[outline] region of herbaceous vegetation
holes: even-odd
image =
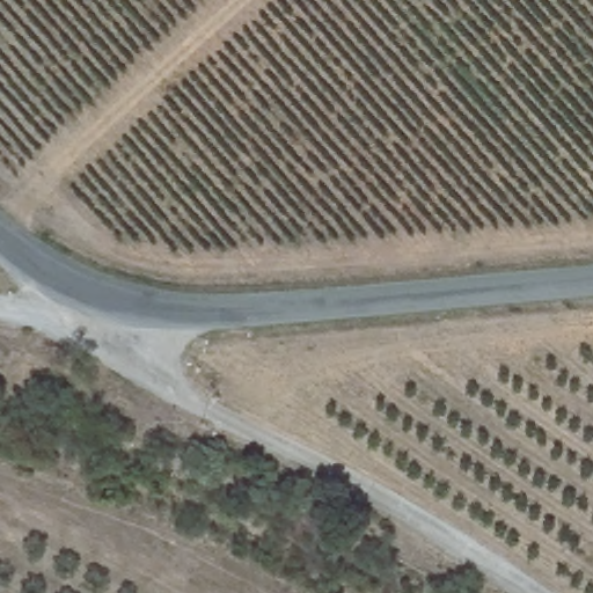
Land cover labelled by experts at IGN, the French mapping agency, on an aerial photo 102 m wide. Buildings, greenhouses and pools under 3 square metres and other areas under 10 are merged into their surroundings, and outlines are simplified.
[[[208,343],[252,343],[255,338],[352,331],[371,327],[417,327],[463,317],[507,317],[570,310],[593,310],[593,297],[463,306],[447,310],[313,320],[264,327],[220,324],[220,329],[213,329],[213,324],[195,324],[199,334]]]
[[[25,285],[30,278],[0,255],[0,294],[19,292],[19,287]]]
[[[167,403],[153,391],[132,382],[130,378],[120,375],[118,371],[102,366],[97,368],[97,387],[104,401],[120,408],[134,422],[134,433],[130,440],[123,442],[123,449],[139,449],[146,440],[146,433],[155,426],[164,426],[181,438],[188,438],[192,433],[218,433],[206,417],[199,415],[181,410],[174,403]]]
[[[0,375],[5,375],[5,380],[14,385],[23,385],[32,371],[44,368],[49,359],[56,357],[53,350],[44,345],[44,341],[49,338],[46,334],[32,327],[19,327],[0,320]]]
[[[76,329],[69,338],[83,352],[93,354],[95,341],[86,338],[86,329]]]
[[[37,239],[46,243],[51,250],[65,255],[67,262],[76,262],[81,266],[114,276],[118,280],[183,294],[297,292],[375,283],[461,278],[503,271],[593,266],[593,248],[574,248],[565,257],[554,257],[549,252],[547,257],[528,257],[526,262],[493,264],[477,259],[470,266],[456,269],[422,266],[396,273],[368,273],[345,278],[197,285],[151,278],[144,271],[127,271],[118,264],[100,264],[97,259],[86,257],[60,243],[51,229],[39,229]]]
[[[86,584],[86,570],[90,563],[88,558],[79,556],[79,565],[72,574],[58,574],[53,565],[42,574],[37,561],[28,556],[23,540],[9,542],[0,537],[0,593],[107,593],[104,588],[93,591]]]

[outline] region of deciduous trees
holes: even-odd
[[[375,429],[368,429],[366,422],[338,408],[336,401],[329,401],[329,417],[338,419],[338,424],[345,429],[352,429],[354,438],[366,438],[368,447],[378,447],[380,433]]]
[[[584,493],[577,493],[574,486],[565,486],[563,505],[574,505],[584,510],[588,498]]]
[[[572,461],[574,461],[574,456],[577,456],[577,452],[574,452],[574,449],[570,449],[570,447],[565,447],[563,442],[561,442],[561,440],[556,440],[556,442],[554,442],[554,449],[551,449],[551,459],[558,459],[558,456],[561,456],[561,459],[568,459],[570,463],[572,463]]]
[[[30,530],[23,540],[28,556],[37,561],[46,549],[46,533]]]
[[[394,442],[389,440],[382,447],[382,454],[396,463],[398,470],[408,473],[408,477],[422,479],[426,489],[435,493],[435,498],[445,498],[449,484],[438,479],[433,473],[424,470],[415,459],[408,456],[408,452],[394,447]]]
[[[53,565],[58,574],[72,574],[79,565],[79,556],[79,551],[74,549],[60,549],[56,554]]]
[[[403,419],[403,431],[415,431],[419,440],[426,438],[426,424],[398,410],[394,403],[385,398],[385,394],[378,394],[375,405],[380,412],[387,415],[389,422],[398,417]]]
[[[473,519],[482,521],[486,528],[493,528],[496,535],[507,544],[519,542],[517,528],[500,521],[491,510],[484,510],[479,503],[466,500],[463,493],[456,493],[452,505],[456,510],[468,510]]]
[[[586,554],[581,549],[579,535],[568,524],[561,528],[558,535],[558,540],[565,542],[581,561],[593,565],[593,554]]]
[[[510,482],[503,482],[493,470],[486,470],[484,463],[473,461],[470,454],[463,454],[463,470],[473,470],[477,482],[489,479],[489,486],[493,491],[500,491],[503,500],[514,503],[517,510],[528,514],[530,519],[537,519],[537,503],[528,500],[526,493],[514,491]]]
[[[155,426],[146,433],[146,440],[139,449],[123,449],[123,442],[130,440],[134,433],[134,422],[120,408],[104,401],[97,387],[97,368],[102,366],[100,359],[93,354],[83,352],[69,338],[49,338],[44,341],[44,345],[53,350],[56,357],[49,359],[44,368],[32,371],[23,385],[14,385],[5,380],[5,375],[0,375],[0,456],[7,459],[12,468],[21,475],[46,470],[63,479],[69,477],[72,463],[79,461],[81,473],[86,477],[86,493],[90,500],[111,500],[116,505],[127,505],[130,517],[134,517],[134,512],[141,510],[155,512],[162,521],[174,521],[176,530],[188,537],[211,533],[215,542],[232,547],[234,556],[252,558],[266,572],[294,579],[299,586],[313,593],[507,593],[496,586],[491,577],[484,577],[484,572],[475,563],[468,561],[459,565],[435,540],[431,540],[419,528],[405,521],[394,524],[389,514],[398,507],[398,500],[380,491],[366,496],[357,484],[352,484],[343,466],[331,463],[317,468],[287,468],[278,461],[278,456],[269,454],[257,442],[248,442],[246,447],[241,447],[229,435],[218,433],[192,433],[188,438],[181,438],[164,426]]]
[[[109,568],[90,563],[86,570],[86,584],[93,591],[104,588],[109,584]]]
[[[482,403],[489,408],[496,408],[496,412],[507,422],[507,426],[524,429],[528,438],[535,438],[540,445],[547,442],[547,431],[537,426],[530,417],[524,417],[517,410],[512,410],[503,398],[493,396],[477,380],[468,380],[468,394],[479,396]]]
[[[438,398],[433,412],[447,417],[452,426],[461,426],[461,435],[468,438],[470,419],[463,417],[459,410],[447,408],[445,398]]]
[[[500,438],[496,438],[491,456],[503,459],[507,466],[517,468],[519,475],[533,475],[535,486],[558,486],[556,475],[544,473],[544,468],[530,466],[530,461],[524,454],[519,454],[512,447],[505,447]]]

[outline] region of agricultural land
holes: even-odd
[[[561,327],[565,329],[565,334],[572,334],[572,338],[579,345],[593,345],[593,310],[570,310]]]

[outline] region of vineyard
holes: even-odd
[[[537,227],[549,222],[565,225],[579,218],[593,220],[593,0],[262,0],[264,5],[257,21],[234,32],[218,53],[204,58],[181,81],[167,83],[164,100],[153,111],[148,111],[148,116],[139,118],[102,158],[93,160],[90,164],[86,164],[81,174],[72,176],[72,195],[88,206],[88,211],[114,234],[118,243],[164,243],[171,252],[195,252],[199,248],[232,250],[248,246],[252,241],[273,241],[276,246],[299,248],[313,246],[315,241],[354,241],[373,234],[382,239],[389,234],[398,234],[403,229],[408,234],[426,234],[433,229],[470,232],[477,227]]]
[[[111,88],[111,83],[118,79],[118,74],[123,74],[134,63],[134,56],[139,51],[153,49],[153,44],[167,37],[176,21],[188,19],[188,14],[195,12],[199,0],[0,0],[0,162],[14,176],[19,176],[25,162],[42,151],[42,146],[46,146],[46,141],[58,132],[58,127],[72,120],[76,114],[81,114],[83,107],[97,104]]]

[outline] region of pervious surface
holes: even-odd
[[[25,285],[19,287],[19,292],[0,294],[0,320],[19,327],[32,327],[46,334],[49,338],[69,338],[76,329],[86,329],[86,338],[95,341],[93,354],[100,359],[102,366],[118,371],[120,375],[130,378],[132,382],[153,391],[167,403],[174,403],[181,410],[199,415],[204,398],[181,368],[181,352],[199,334],[195,324],[213,324],[213,329],[220,329],[220,324],[264,327],[313,320],[447,310],[463,306],[593,297],[593,266],[503,271],[461,278],[375,283],[297,292],[183,294],[118,280],[114,276],[81,266],[76,262],[67,262],[65,255],[51,250],[46,243],[37,239],[39,229],[25,229],[16,215],[12,215],[0,204],[0,255],[30,278]]]

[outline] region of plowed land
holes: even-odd
[[[74,549],[79,551],[79,556],[88,558],[90,563],[109,568],[109,584],[104,588],[107,593],[313,593],[299,586],[294,579],[266,572],[252,558],[234,556],[232,547],[215,542],[211,533],[188,537],[176,530],[174,521],[162,521],[155,512],[141,510],[134,512],[134,517],[130,517],[127,505],[116,505],[111,500],[90,500],[86,493],[86,477],[81,473],[79,461],[72,463],[69,477],[63,479],[46,470],[21,475],[12,468],[7,459],[0,456],[0,537],[9,542],[23,540],[30,530],[46,533],[46,549],[37,561],[42,574],[53,565],[56,554],[60,549]]]
[[[181,81],[204,58],[218,53],[234,32],[257,21],[264,5],[262,0],[199,0],[195,12],[188,14],[188,19],[176,21],[167,37],[153,44],[153,49],[139,51],[134,56],[134,63],[123,74],[118,74],[118,79],[111,83],[111,88],[97,104],[83,107],[81,114],[76,114],[72,120],[58,127],[58,132],[46,141],[46,146],[42,146],[42,151],[25,162],[19,176],[14,176],[0,162],[0,204],[12,215],[16,215],[25,229],[39,229],[51,229],[60,243],[86,257],[97,259],[100,264],[118,264],[127,271],[144,271],[151,278],[197,285],[345,278],[368,273],[396,273],[422,266],[456,269],[470,266],[477,259],[493,264],[526,262],[528,257],[547,257],[549,252],[554,257],[565,257],[574,248],[593,248],[593,220],[579,218],[565,225],[549,222],[537,227],[477,227],[470,232],[433,229],[426,234],[408,234],[403,229],[398,234],[389,234],[382,239],[373,234],[354,241],[315,241],[313,246],[299,248],[276,246],[273,241],[252,241],[248,246],[232,250],[199,248],[195,252],[171,252],[164,243],[118,243],[114,234],[88,211],[88,206],[72,195],[72,176],[81,174],[86,164],[90,164],[93,160],[102,158],[139,118],[148,116],[148,111],[153,111],[164,100],[167,83]]]
[[[572,338],[572,334],[565,334],[565,329],[561,327],[570,310],[507,317],[463,317],[417,327],[371,327],[352,331],[255,338],[252,343],[208,343],[199,334],[181,352],[181,368],[204,398],[199,415],[206,417],[218,433],[229,435],[241,447],[246,447],[248,442],[257,442],[269,454],[278,456],[278,461],[287,468],[317,468],[331,463],[343,466],[352,484],[357,484],[366,496],[380,491],[398,500],[398,507],[389,514],[394,524],[405,521],[419,528],[431,540],[435,540],[459,565],[468,561],[475,563],[484,572],[484,577],[491,577],[496,586],[507,593],[593,593],[593,565],[581,561],[565,542],[558,540],[558,535],[561,528],[568,524],[579,535],[581,549],[586,554],[593,554],[593,345],[579,345]],[[482,403],[479,396],[468,394],[468,380],[477,380],[493,396],[503,398],[512,410],[517,410],[524,417],[530,417],[537,426],[547,431],[547,442],[540,445],[535,438],[528,438],[524,429],[507,426],[507,422],[496,412],[496,408],[489,408]],[[385,398],[394,403],[398,410],[426,424],[426,438],[419,440],[415,431],[403,431],[403,419],[398,417],[389,422],[387,415],[380,412],[375,405],[378,394],[385,394]],[[447,417],[433,412],[438,398],[445,398],[447,408],[459,410],[463,417],[470,419],[468,438],[461,435],[461,426],[452,426]],[[366,422],[368,429],[375,429],[380,433],[378,447],[368,447],[366,438],[354,438],[352,429],[345,429],[338,424],[338,419],[329,417],[329,401],[336,401],[338,408]],[[530,466],[544,468],[544,473],[556,475],[558,486],[535,486],[533,475],[519,475],[517,468],[507,466],[503,459],[491,456],[496,438],[500,438],[505,447],[512,447],[519,454],[524,454],[530,461]],[[382,447],[389,440],[394,442],[394,447],[408,452],[408,456],[415,459],[424,470],[433,473],[438,479],[449,484],[445,498],[435,498],[435,493],[426,489],[422,479],[408,477],[408,473],[398,470],[396,463],[382,454]],[[561,459],[561,456],[558,456],[558,459],[551,459],[551,449],[554,449],[554,442],[556,442],[556,440],[561,440],[561,442],[563,442],[565,447],[570,447],[570,449],[574,449],[574,452],[577,452],[577,456],[574,456],[574,461],[572,461],[572,463],[570,463],[568,459]],[[463,454],[470,454],[473,461],[484,463],[486,470],[493,470],[503,482],[510,482],[514,491],[526,493],[528,500],[537,503],[537,519],[530,519],[528,514],[517,510],[514,503],[503,500],[500,491],[493,491],[489,486],[489,479],[477,482],[473,470],[463,470]],[[584,493],[588,498],[584,510],[574,505],[563,505],[565,486],[574,486],[577,493]],[[484,510],[491,510],[500,521],[517,528],[519,542],[507,544],[496,535],[493,528],[486,528],[482,521],[473,519],[468,510],[456,510],[452,505],[456,493],[463,493],[466,500],[479,503]]]

